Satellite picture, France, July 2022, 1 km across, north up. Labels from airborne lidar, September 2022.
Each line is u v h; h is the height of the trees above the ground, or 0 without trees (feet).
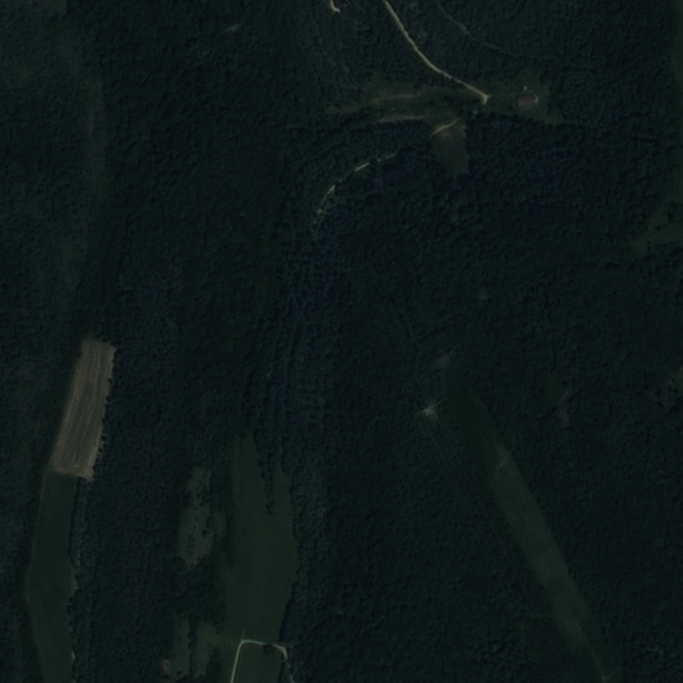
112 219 55
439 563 40
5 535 23
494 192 91
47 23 35
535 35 62
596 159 100
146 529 21
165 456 53
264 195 70
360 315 62
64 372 46
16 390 30
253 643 0
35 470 39
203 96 73
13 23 23
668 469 57
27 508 35
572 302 60
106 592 55
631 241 59
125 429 59
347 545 64
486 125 63
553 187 116
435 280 62
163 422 56
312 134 69
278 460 39
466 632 79
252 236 60
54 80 19
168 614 45
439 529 38
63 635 0
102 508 50
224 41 57
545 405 48
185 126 84
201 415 53
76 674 36
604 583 53
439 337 43
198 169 42
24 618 35
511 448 43
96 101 23
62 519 0
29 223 39
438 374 31
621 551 53
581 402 49
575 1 74
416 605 28
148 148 78
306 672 42
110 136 45
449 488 34
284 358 63
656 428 66
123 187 71
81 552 33
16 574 37
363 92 64
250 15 42
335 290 65
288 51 67
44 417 20
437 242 57
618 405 48
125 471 56
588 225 94
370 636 79
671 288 73
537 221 116
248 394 23
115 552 48
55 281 35
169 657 48
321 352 70
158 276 48
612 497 45
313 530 25
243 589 0
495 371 60
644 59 47
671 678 55
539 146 76
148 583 51
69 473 0
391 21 52
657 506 45
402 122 0
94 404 0
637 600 57
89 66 52
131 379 69
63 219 57
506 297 72
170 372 66
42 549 0
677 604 42
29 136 59
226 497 42
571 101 69
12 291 50
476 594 55
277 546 0
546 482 42
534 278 47
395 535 44
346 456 67
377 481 44
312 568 33
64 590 0
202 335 50
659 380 106
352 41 70
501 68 51
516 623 80
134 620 44
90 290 77
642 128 103
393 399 53
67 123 33
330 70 46
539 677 37
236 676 0
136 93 68
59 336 25
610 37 89
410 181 94
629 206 113
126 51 81
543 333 46
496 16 71
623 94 89
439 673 76
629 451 47
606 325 78
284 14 27
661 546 53
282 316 84
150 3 61
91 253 43
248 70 94
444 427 23
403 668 64
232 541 38
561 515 47
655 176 96
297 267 60
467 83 22
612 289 66
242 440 33
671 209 50
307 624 37
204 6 68
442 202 86
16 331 39
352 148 58
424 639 52
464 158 0
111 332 30
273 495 26
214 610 43
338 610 19
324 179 27
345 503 47
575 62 66
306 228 72
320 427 56
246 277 56
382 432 54
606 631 42
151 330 68
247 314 55
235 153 46
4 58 26
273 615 0
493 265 96
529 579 55
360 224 89
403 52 59
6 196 40
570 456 38
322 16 47
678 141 41
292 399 67
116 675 45
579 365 44
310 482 26
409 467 25
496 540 53
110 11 74
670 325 66
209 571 38
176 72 75
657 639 64
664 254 22
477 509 31
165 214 50
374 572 61
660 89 72
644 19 85
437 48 52
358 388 57
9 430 38
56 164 56
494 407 68
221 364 72
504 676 87
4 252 40
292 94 66
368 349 61
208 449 31
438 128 0
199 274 43
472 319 55
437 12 48
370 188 61
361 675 58
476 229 95
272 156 54
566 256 51
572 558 57
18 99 46
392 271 51
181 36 73
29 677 47
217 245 31
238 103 60
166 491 56
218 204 61
